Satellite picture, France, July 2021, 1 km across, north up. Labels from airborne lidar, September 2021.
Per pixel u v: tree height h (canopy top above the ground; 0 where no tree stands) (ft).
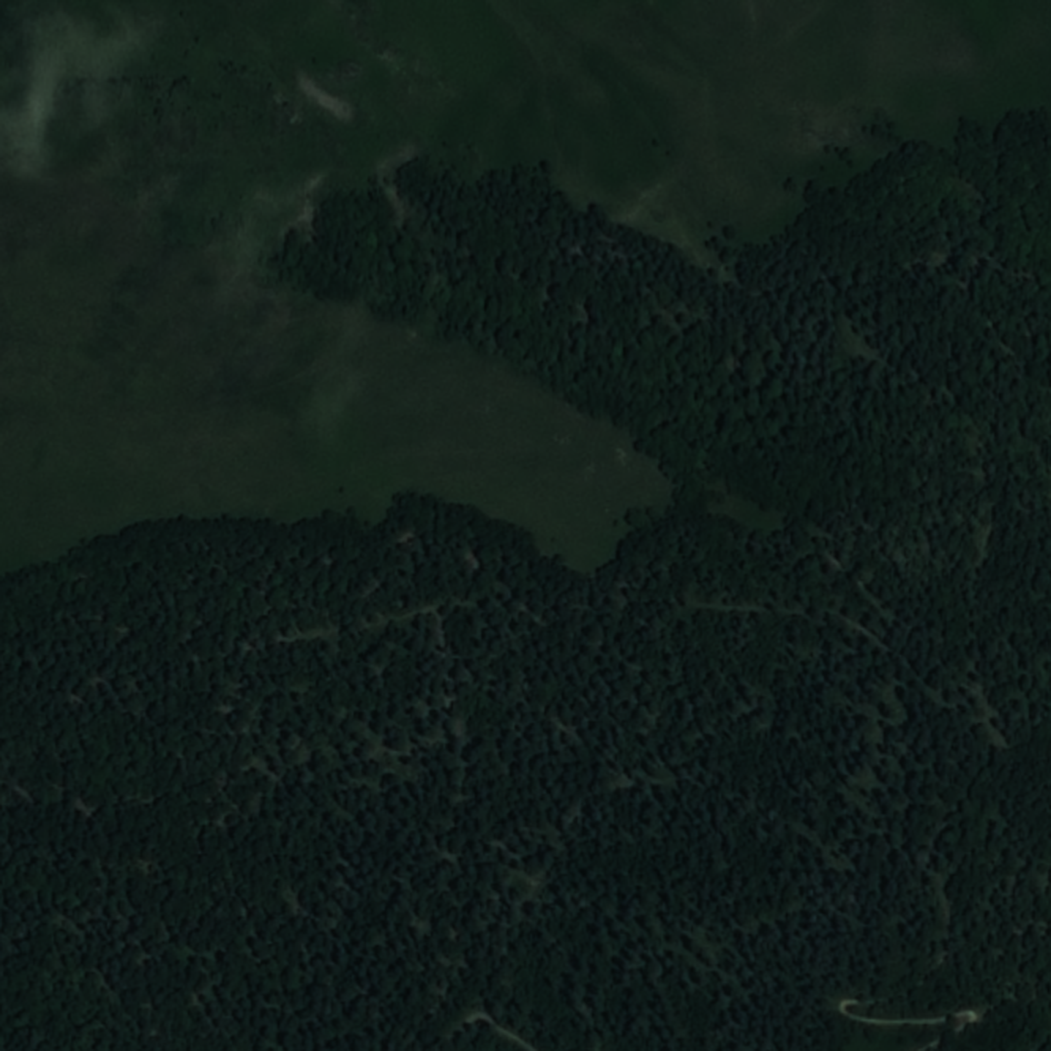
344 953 91
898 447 58
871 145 0
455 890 47
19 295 0
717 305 72
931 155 59
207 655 59
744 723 45
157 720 93
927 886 24
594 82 0
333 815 35
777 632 24
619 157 0
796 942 99
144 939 107
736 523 55
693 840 102
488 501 0
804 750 85
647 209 0
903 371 63
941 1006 40
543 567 75
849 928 82
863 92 0
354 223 72
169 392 0
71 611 87
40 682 62
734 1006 38
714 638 40
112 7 0
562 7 0
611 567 54
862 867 98
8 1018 70
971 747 101
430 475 0
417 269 66
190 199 0
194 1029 48
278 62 0
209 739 109
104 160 0
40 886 95
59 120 0
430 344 0
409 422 0
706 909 77
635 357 76
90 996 97
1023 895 96
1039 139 67
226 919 84
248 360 0
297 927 117
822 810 116
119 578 72
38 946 76
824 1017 81
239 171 0
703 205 0
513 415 0
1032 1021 69
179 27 0
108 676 85
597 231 78
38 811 58
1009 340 85
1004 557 63
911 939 76
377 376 0
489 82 0
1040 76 0
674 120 0
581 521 0
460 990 72
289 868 45
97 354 0
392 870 98
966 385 64
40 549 0
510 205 78
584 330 92
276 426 0
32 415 0
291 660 56
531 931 27
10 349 0
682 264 59
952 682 81
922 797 57
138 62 0
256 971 87
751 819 38
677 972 96
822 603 29
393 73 0
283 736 22
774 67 0
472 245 61
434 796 116
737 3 0
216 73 0
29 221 0
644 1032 100
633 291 82
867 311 69
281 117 0
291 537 69
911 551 56
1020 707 90
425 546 37
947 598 79
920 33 0
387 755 26
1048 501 41
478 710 29
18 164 0
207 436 0
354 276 36
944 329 46
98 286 0
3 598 61
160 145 0
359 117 0
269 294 0
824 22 0
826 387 81
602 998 122
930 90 0
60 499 0
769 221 0
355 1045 81
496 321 42
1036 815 97
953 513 75
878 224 62
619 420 39
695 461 67
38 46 0
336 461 0
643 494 0
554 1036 32
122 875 62
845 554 103
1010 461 64
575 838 20
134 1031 84
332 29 0
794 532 60
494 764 82
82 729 73
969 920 61
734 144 0
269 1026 81
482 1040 48
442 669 108
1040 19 0
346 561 95
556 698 33
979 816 44
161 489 0
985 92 0
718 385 73
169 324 0
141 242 0
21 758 79
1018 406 77
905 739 94
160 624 100
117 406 0
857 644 105
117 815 52
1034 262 82
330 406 0
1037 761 65
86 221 0
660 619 83
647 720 98
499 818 56
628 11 0
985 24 0
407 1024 77
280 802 39
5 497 0
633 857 25
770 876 24
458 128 0
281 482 0
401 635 94
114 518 0
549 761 107
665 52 0
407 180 21
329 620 29
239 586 75
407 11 0
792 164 0
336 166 0
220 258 0
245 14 0
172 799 91
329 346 0
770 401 88
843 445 69
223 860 74
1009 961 70
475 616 41
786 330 95
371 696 27
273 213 0
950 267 49
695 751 48
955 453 48
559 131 0
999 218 58
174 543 68
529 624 26
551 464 0
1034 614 52
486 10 0
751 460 91
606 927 34
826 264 80
